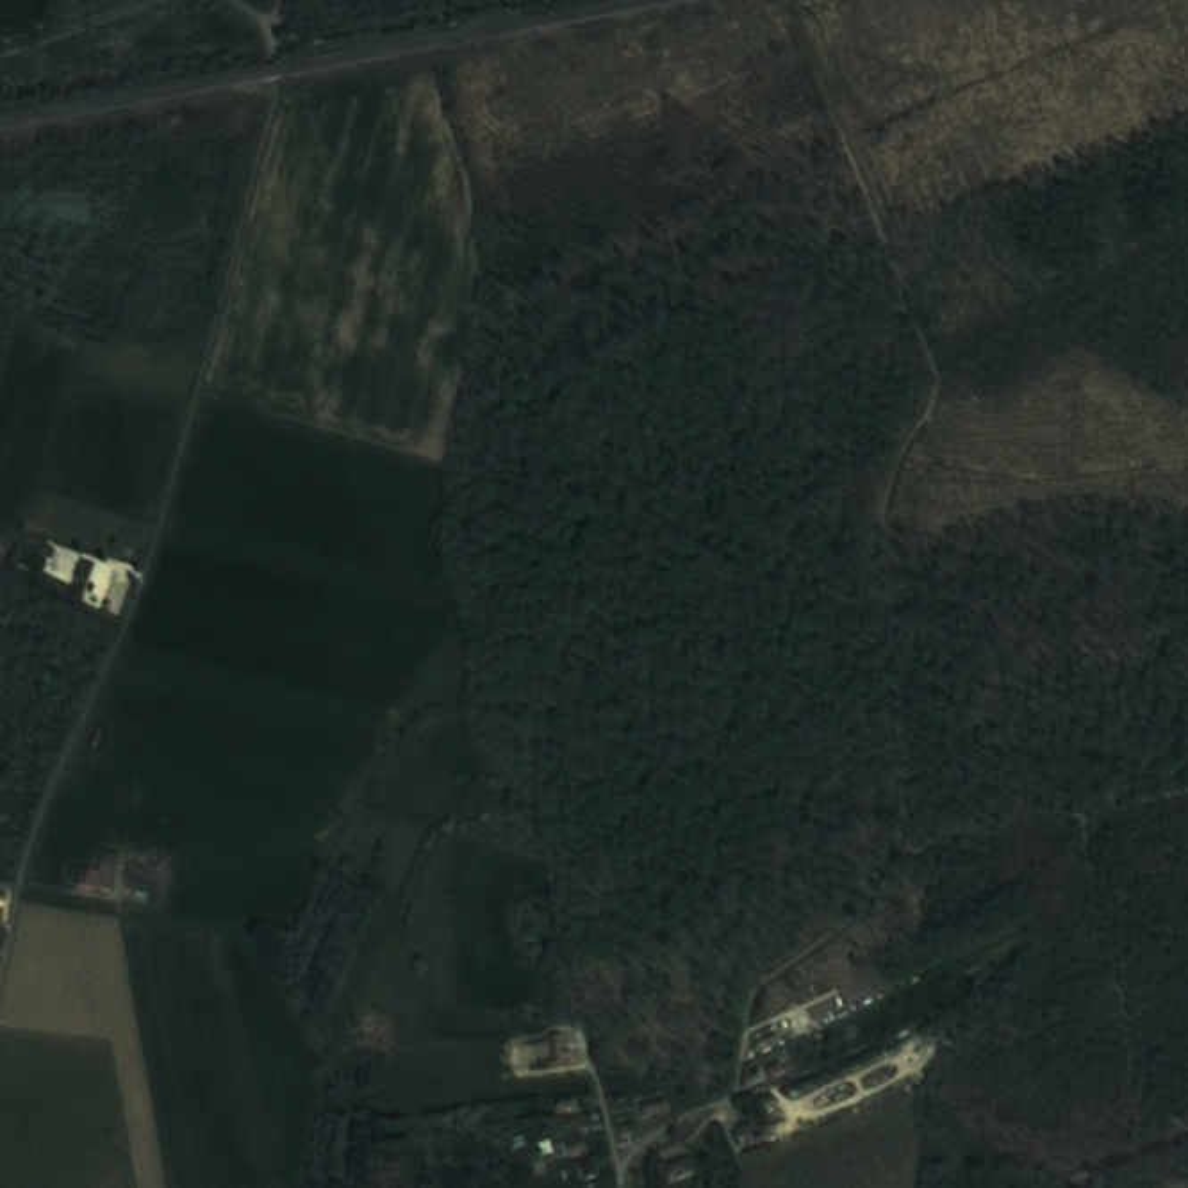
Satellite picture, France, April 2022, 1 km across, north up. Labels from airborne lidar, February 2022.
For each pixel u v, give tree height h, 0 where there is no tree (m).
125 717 0
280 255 0
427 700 0
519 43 0
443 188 0
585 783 26
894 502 0
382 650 0
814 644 22
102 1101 0
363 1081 17
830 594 25
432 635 0
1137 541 25
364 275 0
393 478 0
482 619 22
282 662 0
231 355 0
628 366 28
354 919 10
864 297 24
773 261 29
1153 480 0
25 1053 0
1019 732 23
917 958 26
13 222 6
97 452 0
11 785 23
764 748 24
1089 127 0
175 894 0
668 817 28
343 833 0
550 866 16
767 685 22
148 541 0
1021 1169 19
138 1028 0
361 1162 12
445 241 0
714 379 27
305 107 0
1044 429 0
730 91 0
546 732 27
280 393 0
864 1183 0
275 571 0
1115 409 0
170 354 0
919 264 0
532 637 27
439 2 21
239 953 0
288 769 0
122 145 17
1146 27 0
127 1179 0
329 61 0
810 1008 0
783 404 30
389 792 0
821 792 27
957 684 27
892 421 27
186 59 11
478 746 16
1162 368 18
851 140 0
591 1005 21
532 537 19
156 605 0
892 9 0
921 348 21
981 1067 15
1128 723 22
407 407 0
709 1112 0
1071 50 0
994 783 28
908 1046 0
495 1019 0
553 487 26
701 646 21
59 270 20
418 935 0
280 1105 0
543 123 0
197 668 0
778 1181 0
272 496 0
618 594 31
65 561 0
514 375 27
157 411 0
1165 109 0
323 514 0
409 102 0
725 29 0
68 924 0
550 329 29
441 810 0
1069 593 28
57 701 16
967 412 0
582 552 25
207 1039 0
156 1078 0
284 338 0
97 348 0
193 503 0
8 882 6
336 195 0
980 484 0
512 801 16
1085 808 26
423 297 0
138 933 0
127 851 0
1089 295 16
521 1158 0
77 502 0
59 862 0
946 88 0
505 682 22
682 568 27
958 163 0
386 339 0
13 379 0
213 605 0
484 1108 11
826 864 28
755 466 24
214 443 0
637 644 28
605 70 0
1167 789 20
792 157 0
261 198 0
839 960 23
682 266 26
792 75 0
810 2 0
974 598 27
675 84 0
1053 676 25
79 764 0
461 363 0
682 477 30
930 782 24
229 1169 0
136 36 0
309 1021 14
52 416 0
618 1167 0
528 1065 0
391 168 0
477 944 0
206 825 0
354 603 0
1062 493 0
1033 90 0
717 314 26
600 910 24
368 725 0
